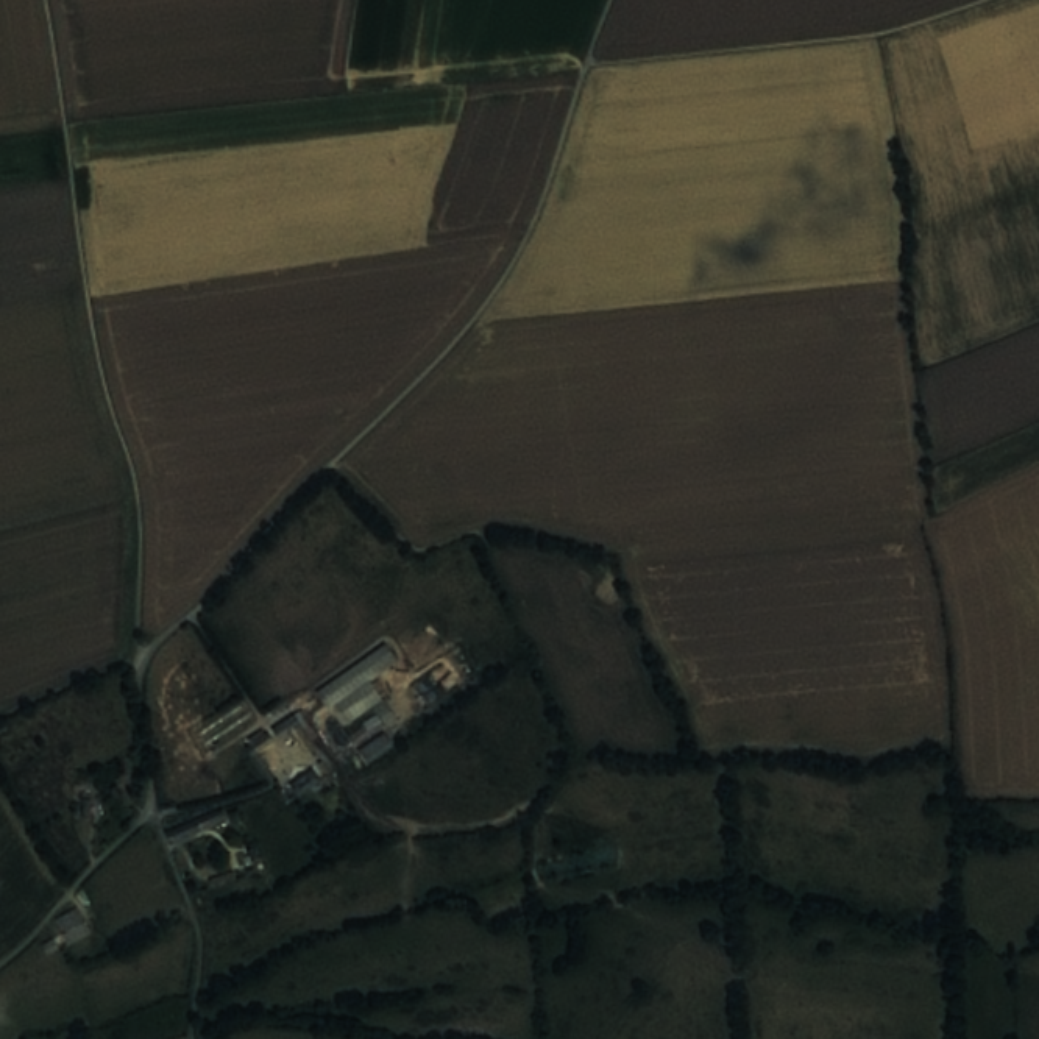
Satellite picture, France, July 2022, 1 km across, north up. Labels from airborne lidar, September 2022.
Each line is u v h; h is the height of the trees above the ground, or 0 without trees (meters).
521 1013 0
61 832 0
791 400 0
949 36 0
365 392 0
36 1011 0
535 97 0
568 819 0
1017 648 0
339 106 0
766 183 0
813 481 0
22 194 0
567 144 0
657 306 0
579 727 0
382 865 0
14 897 0
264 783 7
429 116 0
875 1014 0
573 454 0
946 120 0
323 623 0
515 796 0
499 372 0
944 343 0
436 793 0
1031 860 0
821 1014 0
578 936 17
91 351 0
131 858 0
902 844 0
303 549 0
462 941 0
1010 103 0
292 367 0
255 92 0
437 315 0
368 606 0
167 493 0
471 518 0
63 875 11
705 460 0
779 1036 0
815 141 0
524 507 0
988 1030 0
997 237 0
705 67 0
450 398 0
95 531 0
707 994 0
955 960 24
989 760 0
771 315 0
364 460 0
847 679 0
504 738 0
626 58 0
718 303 0
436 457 0
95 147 0
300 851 0
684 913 0
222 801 7
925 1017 0
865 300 0
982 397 0
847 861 0
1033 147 0
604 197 0
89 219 0
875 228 0
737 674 0
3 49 0
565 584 0
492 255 0
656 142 0
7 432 0
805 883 0
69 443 0
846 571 0
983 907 0
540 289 0
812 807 0
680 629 0
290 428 0
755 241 0
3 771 12
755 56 0
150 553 0
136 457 0
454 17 0
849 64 0
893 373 0
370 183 0
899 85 0
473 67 0
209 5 0
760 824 0
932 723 0
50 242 0
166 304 0
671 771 17
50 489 0
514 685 0
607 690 0
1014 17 0
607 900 16
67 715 0
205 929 0
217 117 0
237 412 0
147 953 0
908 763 12
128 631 0
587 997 0
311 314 0
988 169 0
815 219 0
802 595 0
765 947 0
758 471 0
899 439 0
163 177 0
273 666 0
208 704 0
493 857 0
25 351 0
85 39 0
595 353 0
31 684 0
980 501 0
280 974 0
